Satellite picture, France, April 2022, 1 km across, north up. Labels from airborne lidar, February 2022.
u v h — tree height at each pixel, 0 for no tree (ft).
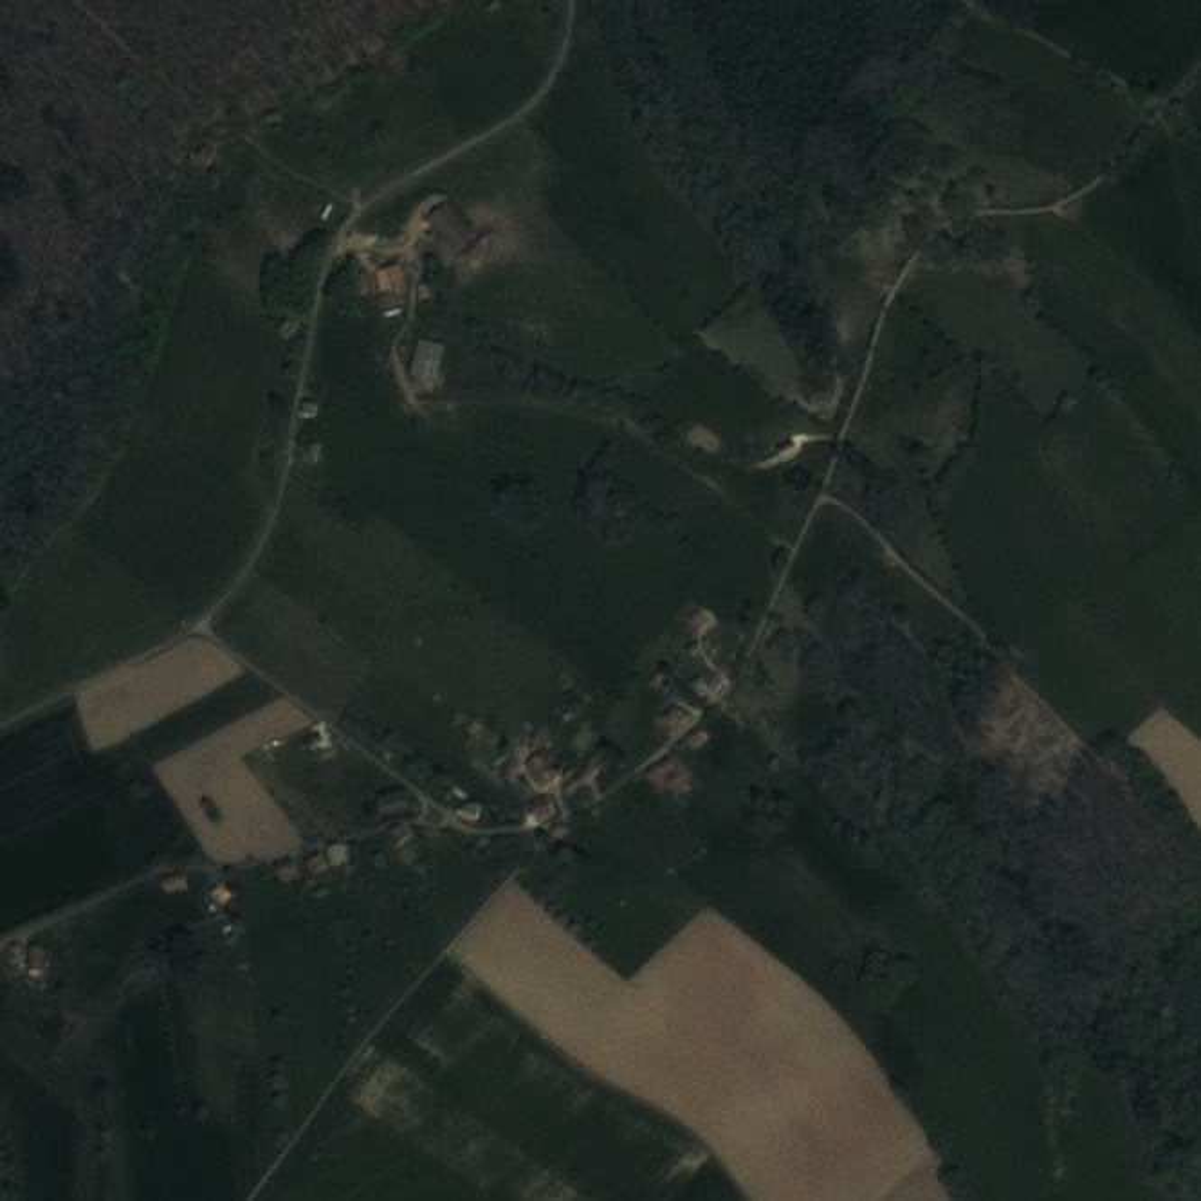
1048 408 0
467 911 0
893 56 52
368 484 0
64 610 0
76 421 102
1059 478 0
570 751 0
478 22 0
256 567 0
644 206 0
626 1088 0
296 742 0
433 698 0
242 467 0
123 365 100
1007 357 0
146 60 69
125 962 0
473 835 0
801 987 0
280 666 0
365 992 0
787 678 0
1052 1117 0
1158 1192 0
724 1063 0
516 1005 0
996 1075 0
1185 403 0
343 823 0
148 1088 0
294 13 65
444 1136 0
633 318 0
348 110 0
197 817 0
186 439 0
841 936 0
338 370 0
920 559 0
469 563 0
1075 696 0
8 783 0
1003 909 90
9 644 0
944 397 0
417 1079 0
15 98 62
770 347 0
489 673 0
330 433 0
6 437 63
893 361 0
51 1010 0
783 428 0
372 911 0
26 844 0
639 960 0
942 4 55
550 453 0
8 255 96
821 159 103
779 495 0
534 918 0
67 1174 0
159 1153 0
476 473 0
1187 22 0
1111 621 0
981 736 98
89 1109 0
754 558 0
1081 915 108
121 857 0
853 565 0
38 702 0
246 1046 0
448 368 0
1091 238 0
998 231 42
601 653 0
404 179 0
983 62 0
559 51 0
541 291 0
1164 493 0
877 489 31
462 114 0
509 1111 0
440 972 0
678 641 0
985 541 0
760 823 70
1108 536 0
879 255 0
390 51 86
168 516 0
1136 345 0
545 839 47
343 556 0
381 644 0
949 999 0
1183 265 0
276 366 0
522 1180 0
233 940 29
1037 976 92
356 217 0
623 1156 0
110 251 75
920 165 81
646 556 0
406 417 0
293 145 0
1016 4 93
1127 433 0
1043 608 0
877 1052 0
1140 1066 97
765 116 51
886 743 56
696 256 0
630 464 0
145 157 82
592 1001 0
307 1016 0
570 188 0
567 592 0
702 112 59
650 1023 0
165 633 0
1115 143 0
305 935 0
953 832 77
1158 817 84
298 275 69
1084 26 0
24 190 85
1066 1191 0
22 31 63
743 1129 0
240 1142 0
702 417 0
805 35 63
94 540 0
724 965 0
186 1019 0
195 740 0
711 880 0
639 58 40
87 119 74
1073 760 0
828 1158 0
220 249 0
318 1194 0
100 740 0
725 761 0
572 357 0
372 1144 0
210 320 0
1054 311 0
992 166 0
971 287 0
